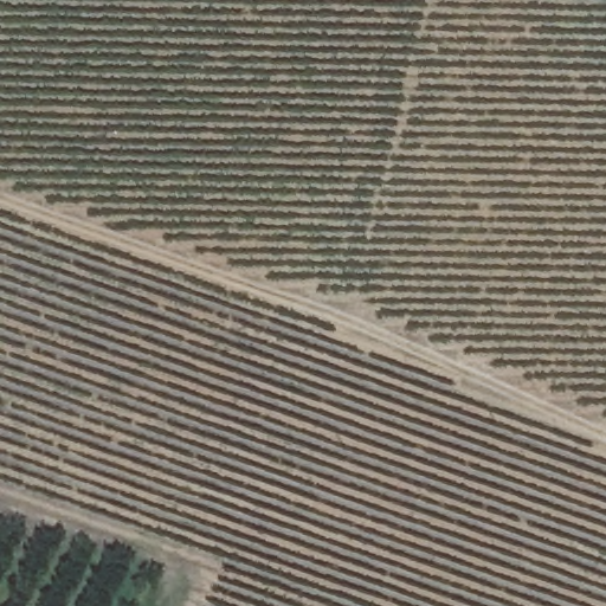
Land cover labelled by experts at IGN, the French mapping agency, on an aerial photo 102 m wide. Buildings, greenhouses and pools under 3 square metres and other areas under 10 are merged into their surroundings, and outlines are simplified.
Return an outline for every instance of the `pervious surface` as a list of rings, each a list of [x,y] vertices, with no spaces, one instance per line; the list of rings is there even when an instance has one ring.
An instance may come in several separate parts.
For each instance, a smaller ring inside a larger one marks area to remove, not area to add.
[[[334,324],[334,339],[339,341],[348,341],[362,350],[381,353],[400,362],[450,376],[455,381],[457,393],[592,438],[592,452],[606,457],[606,417],[604,405],[578,405],[573,391],[549,391],[554,383],[575,383],[575,379],[528,381],[521,367],[492,367],[490,355],[466,355],[459,341],[410,341],[407,317],[379,320],[379,305],[365,303],[362,294],[320,294],[317,279],[272,282],[267,279],[267,267],[230,267],[225,256],[194,253],[194,241],[166,241],[161,230],[109,230],[102,225],[99,218],[88,215],[88,204],[47,204],[43,192],[0,189],[0,208],[14,211],[24,218],[50,223],[83,239],[102,241],[121,251],[130,251],[140,258],[149,258],[168,267],[196,275],[225,289],[244,291],[267,303],[277,303],[303,315],[327,320]]]

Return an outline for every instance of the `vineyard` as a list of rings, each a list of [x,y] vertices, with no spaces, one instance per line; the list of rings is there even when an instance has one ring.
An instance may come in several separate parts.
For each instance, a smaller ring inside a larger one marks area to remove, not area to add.
[[[166,241],[194,241],[194,253],[225,256],[230,267],[267,267],[267,279],[272,282],[317,279],[320,294],[362,294],[365,303],[379,305],[379,320],[407,317],[410,341],[459,341],[466,355],[490,355],[492,367],[521,367],[528,381],[575,379],[575,383],[554,383],[549,391],[573,391],[578,405],[604,405],[606,417],[606,0],[0,0],[0,189],[43,192],[47,204],[88,204],[88,215],[99,218],[102,225],[109,230],[161,230]]]
[[[133,526],[140,533],[152,533],[178,544],[218,556],[223,570],[211,589],[206,606],[606,606],[606,457],[592,452],[592,438],[457,393],[455,381],[450,376],[400,362],[381,353],[362,350],[348,341],[339,341],[334,339],[334,324],[327,320],[303,315],[277,303],[267,303],[244,291],[225,289],[196,275],[168,267],[149,258],[140,258],[130,251],[121,251],[102,241],[83,239],[50,223],[24,218],[14,211],[0,208],[0,481],[7,485],[17,485],[26,492],[47,497],[52,502],[64,502],[83,511],[118,521],[123,526]]]

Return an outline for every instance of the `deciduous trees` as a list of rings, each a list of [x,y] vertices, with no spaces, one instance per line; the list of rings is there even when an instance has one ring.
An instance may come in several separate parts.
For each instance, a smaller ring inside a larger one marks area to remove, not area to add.
[[[142,556],[137,556],[130,542],[92,542],[85,533],[66,533],[57,523],[43,523],[31,535],[26,533],[26,518],[21,514],[0,514],[0,606],[156,606],[163,573],[163,566],[159,561],[144,561]]]

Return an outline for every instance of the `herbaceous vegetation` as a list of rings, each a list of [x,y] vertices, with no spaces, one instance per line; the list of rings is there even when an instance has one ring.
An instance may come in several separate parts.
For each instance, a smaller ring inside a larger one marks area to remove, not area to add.
[[[163,573],[156,606],[185,606],[192,589],[189,578],[178,580]]]

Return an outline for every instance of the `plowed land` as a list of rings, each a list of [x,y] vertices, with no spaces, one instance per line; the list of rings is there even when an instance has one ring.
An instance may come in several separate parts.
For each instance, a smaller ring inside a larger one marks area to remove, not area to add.
[[[26,492],[17,485],[7,485],[0,481],[0,514],[21,514],[26,518],[26,533],[31,535],[43,523],[57,523],[66,533],[85,533],[92,542],[130,542],[137,556],[142,556],[144,561],[159,561],[163,566],[163,573],[178,580],[189,578],[192,589],[185,606],[206,606],[211,589],[223,570],[218,556],[178,544],[152,533],[140,533],[133,526],[123,526],[118,521],[83,511],[64,502],[52,502],[47,497]]]

